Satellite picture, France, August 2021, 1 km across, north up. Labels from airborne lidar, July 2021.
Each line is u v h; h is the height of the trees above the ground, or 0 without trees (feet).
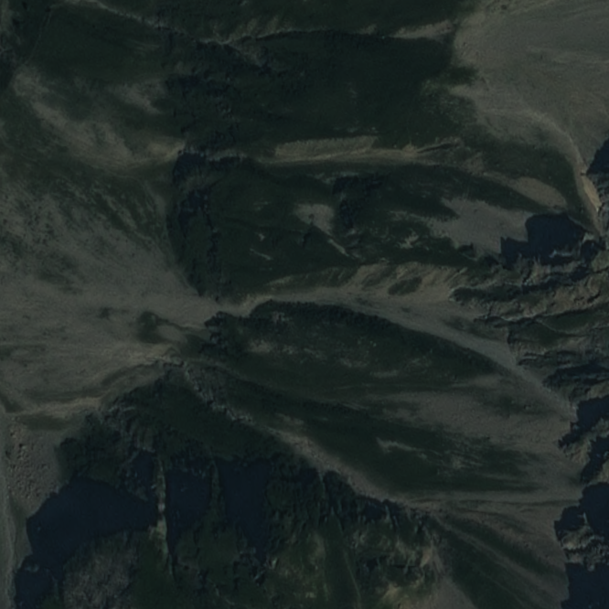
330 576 0
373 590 0
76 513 0
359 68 0
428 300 0
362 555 0
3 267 0
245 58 0
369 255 0
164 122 0
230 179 0
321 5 0
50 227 0
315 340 0
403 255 0
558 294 0
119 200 0
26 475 0
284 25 0
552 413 0
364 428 0
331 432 0
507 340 0
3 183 0
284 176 0
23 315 0
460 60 0
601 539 0
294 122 0
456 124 0
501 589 0
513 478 0
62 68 0
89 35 0
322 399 0
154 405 0
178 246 0
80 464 0
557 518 0
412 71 0
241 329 0
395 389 0
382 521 0
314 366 0
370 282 0
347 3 0
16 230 0
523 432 0
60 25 0
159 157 0
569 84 0
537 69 0
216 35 0
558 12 0
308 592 0
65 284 0
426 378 0
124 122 0
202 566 0
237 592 0
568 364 0
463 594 0
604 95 0
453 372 0
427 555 0
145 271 0
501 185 0
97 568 0
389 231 0
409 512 0
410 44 0
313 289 0
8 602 0
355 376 0
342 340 0
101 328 0
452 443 0
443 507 0
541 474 0
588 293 0
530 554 0
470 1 0
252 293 0
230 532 0
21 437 0
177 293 0
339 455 0
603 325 0
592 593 0
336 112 0
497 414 0
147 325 0
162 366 0
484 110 0
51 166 0
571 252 0
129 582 0
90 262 0
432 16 0
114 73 0
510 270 0
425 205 0
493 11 0
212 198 0
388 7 0
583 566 0
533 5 0
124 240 0
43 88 0
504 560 0
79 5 0
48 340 0
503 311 0
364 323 24
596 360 0
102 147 0
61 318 0
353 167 0
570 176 0
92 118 0
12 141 0
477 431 0
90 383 0
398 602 0
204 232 0
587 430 0
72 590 0
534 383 0
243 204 0
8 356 0
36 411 0
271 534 0
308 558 0
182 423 0
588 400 0
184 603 0
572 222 0
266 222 0
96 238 0
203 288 0
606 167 0
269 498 0
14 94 0
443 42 0
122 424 0
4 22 0
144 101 0
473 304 0
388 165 0
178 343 0
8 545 0
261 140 0
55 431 0
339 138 0
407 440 0
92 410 0
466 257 0
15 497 0
